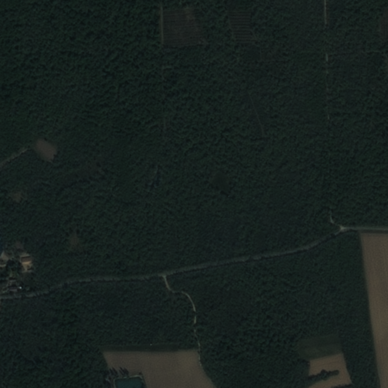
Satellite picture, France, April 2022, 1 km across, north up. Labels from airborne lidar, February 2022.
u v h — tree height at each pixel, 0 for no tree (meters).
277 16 15
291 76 9
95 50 11
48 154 0
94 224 13
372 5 7
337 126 16
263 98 9
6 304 12
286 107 11
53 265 13
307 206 11
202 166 12
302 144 10
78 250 0
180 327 11
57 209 19
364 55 10
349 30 8
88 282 13
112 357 0
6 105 12
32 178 18
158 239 13
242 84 10
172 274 13
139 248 14
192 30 0
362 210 14
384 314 0
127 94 18
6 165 13
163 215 11
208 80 18
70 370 17
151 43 17
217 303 14
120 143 14
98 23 13
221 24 13
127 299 10
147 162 10
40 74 11
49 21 11
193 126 10
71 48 9
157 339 10
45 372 19
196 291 12
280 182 6
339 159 17
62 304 19
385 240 0
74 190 20
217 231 8
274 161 11
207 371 11
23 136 11
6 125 12
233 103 10
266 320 14
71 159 13
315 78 6
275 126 12
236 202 14
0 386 18
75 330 18
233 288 13
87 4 17
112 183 13
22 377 18
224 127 16
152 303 17
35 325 15
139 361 0
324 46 11
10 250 8
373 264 0
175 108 19
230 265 15
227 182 0
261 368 9
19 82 12
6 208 8
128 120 14
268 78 6
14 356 21
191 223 12
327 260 14
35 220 14
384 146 16
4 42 15
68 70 16
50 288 20
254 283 13
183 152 18
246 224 16
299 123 10
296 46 8
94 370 12
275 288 14
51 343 12
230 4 15
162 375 0
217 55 14
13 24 15
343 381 0
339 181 16
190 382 0
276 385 10
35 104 13
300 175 10
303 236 13
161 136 12
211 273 15
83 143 17
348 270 10
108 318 14
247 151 13
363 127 12
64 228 15
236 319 16
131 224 13
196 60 10
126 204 16
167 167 11
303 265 14
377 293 0
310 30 6
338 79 11
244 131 14
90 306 14
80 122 12
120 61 16
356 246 10
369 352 9
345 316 7
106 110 9
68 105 12
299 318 16
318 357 0
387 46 11
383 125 12
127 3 12
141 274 13
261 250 9
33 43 13
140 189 9
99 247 14
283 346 12
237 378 11
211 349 9
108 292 7
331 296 13
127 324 12
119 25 17
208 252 8
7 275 8
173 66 15
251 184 11
